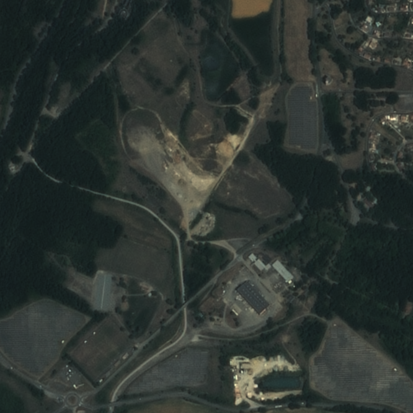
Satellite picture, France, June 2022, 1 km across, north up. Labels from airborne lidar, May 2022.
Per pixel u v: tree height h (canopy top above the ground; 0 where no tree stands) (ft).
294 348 0
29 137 58
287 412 0
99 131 18
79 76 37
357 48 21
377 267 24
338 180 45
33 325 0
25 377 0
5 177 78
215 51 0
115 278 27
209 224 0
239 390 0
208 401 26
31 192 50
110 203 0
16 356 0
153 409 0
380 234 40
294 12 0
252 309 0
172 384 0
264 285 0
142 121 0
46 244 48
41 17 54
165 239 0
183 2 54
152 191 27
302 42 0
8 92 26
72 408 0
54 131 34
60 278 32
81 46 48
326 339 0
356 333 0
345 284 27
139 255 0
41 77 61
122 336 0
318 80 0
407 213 64
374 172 29
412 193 79
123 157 0
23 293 62
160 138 0
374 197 41
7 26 59
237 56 32
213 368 0
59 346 0
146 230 0
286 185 42
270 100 0
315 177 45
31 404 0
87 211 70
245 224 0
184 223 0
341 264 29
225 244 0
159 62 0
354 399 0
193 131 0
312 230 41
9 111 0
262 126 0
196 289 21
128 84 0
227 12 0
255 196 0
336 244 28
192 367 0
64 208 74
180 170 0
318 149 0
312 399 67
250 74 31
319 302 29
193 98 0
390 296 58
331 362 0
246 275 0
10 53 68
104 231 58
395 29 24
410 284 75
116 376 19
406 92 0
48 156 59
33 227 51
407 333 37
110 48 46
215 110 0
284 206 0
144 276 0
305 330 61
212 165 0
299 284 33
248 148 0
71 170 73
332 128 28
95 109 54
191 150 0
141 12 80
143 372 0
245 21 0
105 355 0
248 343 38
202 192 0
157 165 0
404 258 70
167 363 0
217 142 0
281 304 0
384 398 0
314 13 0
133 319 0
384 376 0
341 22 0
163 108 0
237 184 0
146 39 0
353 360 0
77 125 48
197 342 0
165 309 0
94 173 48
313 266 35
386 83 68
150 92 0
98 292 0
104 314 29
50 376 0
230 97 36
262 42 0
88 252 22
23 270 62
